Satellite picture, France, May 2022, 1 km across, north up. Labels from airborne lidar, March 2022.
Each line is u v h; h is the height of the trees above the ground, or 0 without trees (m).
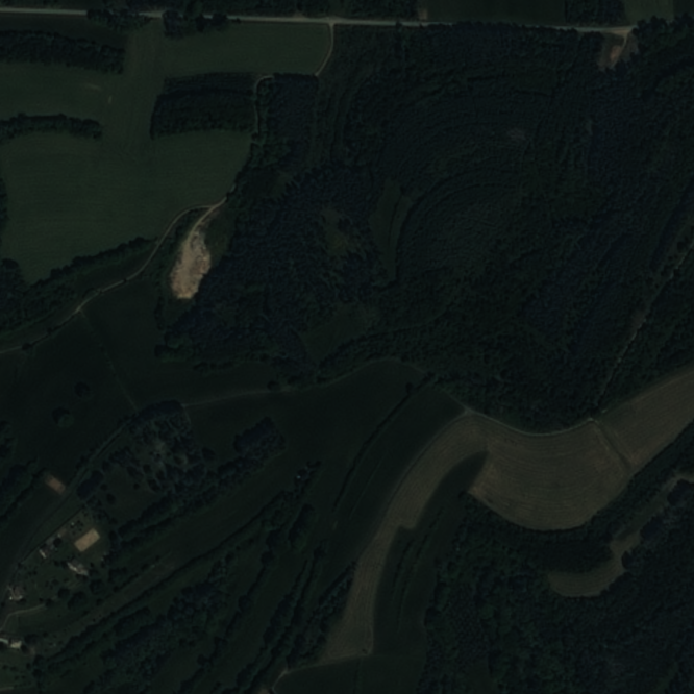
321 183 18
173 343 23
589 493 0
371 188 19
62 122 13
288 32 0
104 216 0
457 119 16
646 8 0
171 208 0
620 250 21
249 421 0
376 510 0
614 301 19
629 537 0
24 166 0
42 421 0
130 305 0
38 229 0
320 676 0
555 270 19
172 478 19
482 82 13
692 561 17
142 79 0
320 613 8
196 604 28
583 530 7
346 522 0
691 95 24
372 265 18
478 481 0
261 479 0
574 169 22
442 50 15
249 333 18
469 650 7
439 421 0
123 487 0
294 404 0
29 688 0
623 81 24
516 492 0
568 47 19
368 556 0
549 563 13
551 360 10
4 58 12
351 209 21
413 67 8
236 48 0
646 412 0
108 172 0
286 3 10
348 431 0
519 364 14
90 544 0
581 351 19
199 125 7
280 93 20
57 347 0
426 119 16
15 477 18
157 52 0
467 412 0
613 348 7
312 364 28
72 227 0
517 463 0
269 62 0
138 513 0
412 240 7
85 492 22
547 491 0
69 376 0
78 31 0
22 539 0
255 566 0
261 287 15
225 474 19
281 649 17
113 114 0
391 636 0
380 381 0
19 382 0
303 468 0
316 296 20
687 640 31
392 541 0
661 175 17
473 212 11
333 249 0
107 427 0
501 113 15
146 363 0
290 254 21
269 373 0
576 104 16
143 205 0
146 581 0
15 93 0
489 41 26
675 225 22
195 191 0
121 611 7
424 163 12
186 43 0
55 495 0
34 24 0
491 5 0
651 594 21
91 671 0
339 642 0
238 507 0
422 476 0
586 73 16
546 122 17
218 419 0
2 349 0
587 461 0
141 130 0
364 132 12
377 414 0
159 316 14
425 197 8
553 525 0
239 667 0
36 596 0
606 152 20
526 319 21
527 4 0
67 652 14
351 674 0
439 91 10
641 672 20
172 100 17
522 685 29
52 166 0
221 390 0
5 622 0
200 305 15
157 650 21
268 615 0
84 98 0
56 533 0
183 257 0
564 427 17
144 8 19
